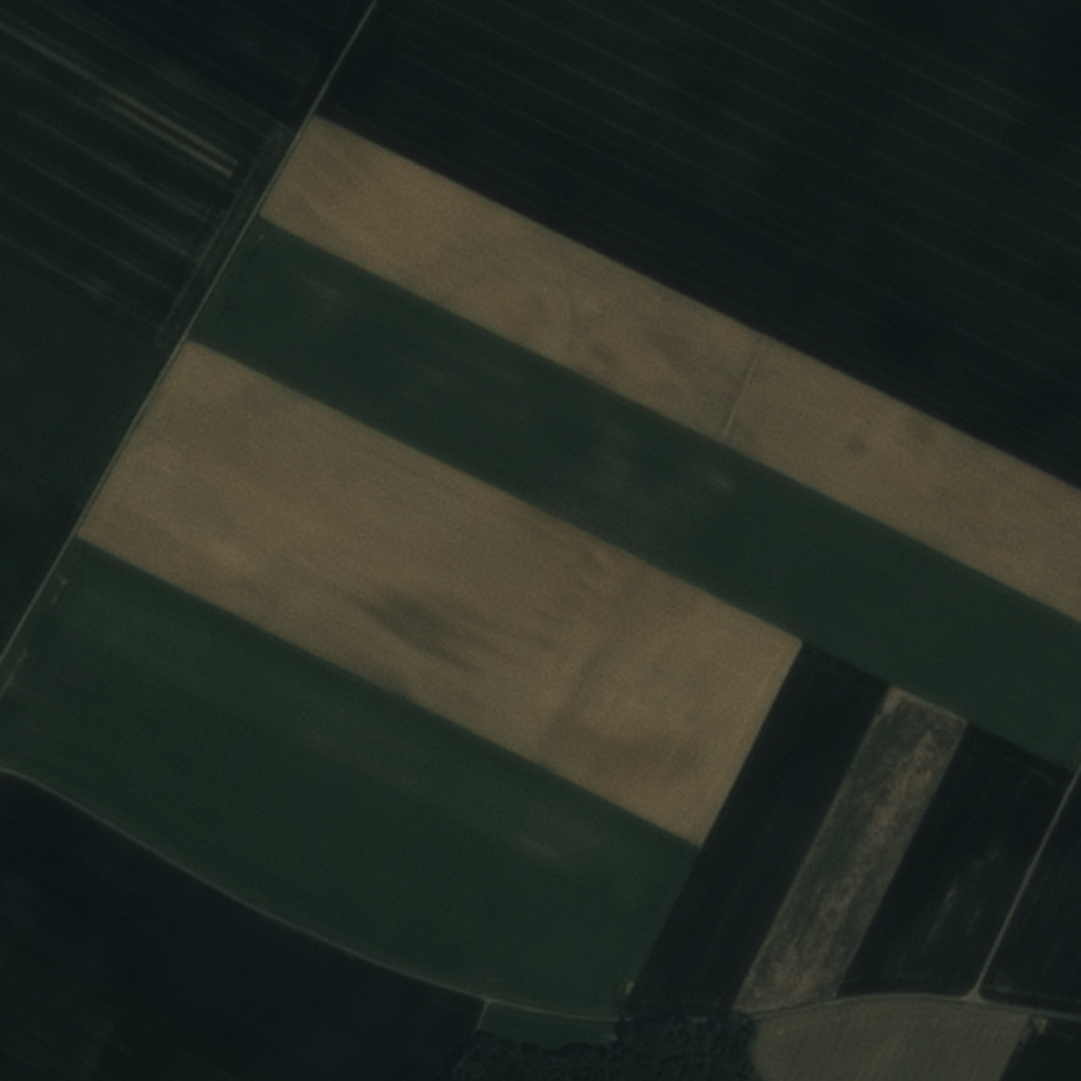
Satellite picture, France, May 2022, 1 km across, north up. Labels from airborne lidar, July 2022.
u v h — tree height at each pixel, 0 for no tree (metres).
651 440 0
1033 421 0
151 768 0
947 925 0
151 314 0
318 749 0
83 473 0
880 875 0
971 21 0
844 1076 0
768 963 0
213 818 0
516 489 0
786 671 0
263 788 0
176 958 0
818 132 0
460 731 0
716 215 0
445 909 0
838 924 0
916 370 0
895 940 0
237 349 0
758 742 0
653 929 0
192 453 0
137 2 0
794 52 0
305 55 0
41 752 0
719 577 0
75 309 0
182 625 0
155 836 0
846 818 0
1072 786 0
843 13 0
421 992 0
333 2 0
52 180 0
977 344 0
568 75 0
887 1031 0
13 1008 0
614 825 0
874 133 0
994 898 0
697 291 0
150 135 0
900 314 0
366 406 0
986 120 0
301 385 0
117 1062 0
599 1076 19
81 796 0
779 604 0
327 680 0
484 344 0
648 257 0
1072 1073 0
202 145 0
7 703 0
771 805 0
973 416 0
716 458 0
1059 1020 0
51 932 0
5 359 0
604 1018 0
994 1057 0
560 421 0
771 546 0
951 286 0
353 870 0
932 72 0
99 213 0
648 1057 23
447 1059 0
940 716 0
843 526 0
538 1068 17
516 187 0
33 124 0
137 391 0
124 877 0
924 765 0
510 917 0
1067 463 0
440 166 0
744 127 0
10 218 0
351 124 0
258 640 0
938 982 0
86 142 0
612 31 0
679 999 0
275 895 0
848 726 0
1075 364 0
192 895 0
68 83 0
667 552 0
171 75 0
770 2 0
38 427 0
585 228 0
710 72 0
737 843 0
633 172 0
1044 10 0
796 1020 0
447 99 0
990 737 0
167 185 0
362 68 0
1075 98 0
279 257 0
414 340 0
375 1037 0
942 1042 0
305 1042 0
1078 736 0
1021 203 0
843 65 0
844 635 0
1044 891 0
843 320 0
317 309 0
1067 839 0
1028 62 0
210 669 0
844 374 0
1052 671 0
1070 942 0
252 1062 0
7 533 0
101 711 0
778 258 0
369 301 0
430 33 0
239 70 0
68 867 0
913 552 0
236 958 0
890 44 0
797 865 0
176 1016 0
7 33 0
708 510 0
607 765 0
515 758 0
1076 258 0
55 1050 0
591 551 0
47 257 0
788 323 0
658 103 0
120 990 0
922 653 0
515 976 0
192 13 0
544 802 0
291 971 0
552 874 0
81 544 0
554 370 0
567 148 0
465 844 0
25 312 0
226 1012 0
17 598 0
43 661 0
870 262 0
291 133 0
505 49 0
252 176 0
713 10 0
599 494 0
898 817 0
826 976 0
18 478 0
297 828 0
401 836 0
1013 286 0
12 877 0
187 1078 0
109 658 0
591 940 0
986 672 0
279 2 0
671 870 0
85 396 0
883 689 0
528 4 0
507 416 0
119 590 0
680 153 0
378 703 0
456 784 0
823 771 0
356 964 0
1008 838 0
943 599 0
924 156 0
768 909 0
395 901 0
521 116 0
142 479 0
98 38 0
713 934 0
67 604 0
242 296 0
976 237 0
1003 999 0
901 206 0
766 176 0
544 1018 0
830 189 0
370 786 0
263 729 0
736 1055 21
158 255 0
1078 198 0
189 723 0
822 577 0
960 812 0
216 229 0
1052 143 0
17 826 0
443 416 0
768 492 0
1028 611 0
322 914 0
